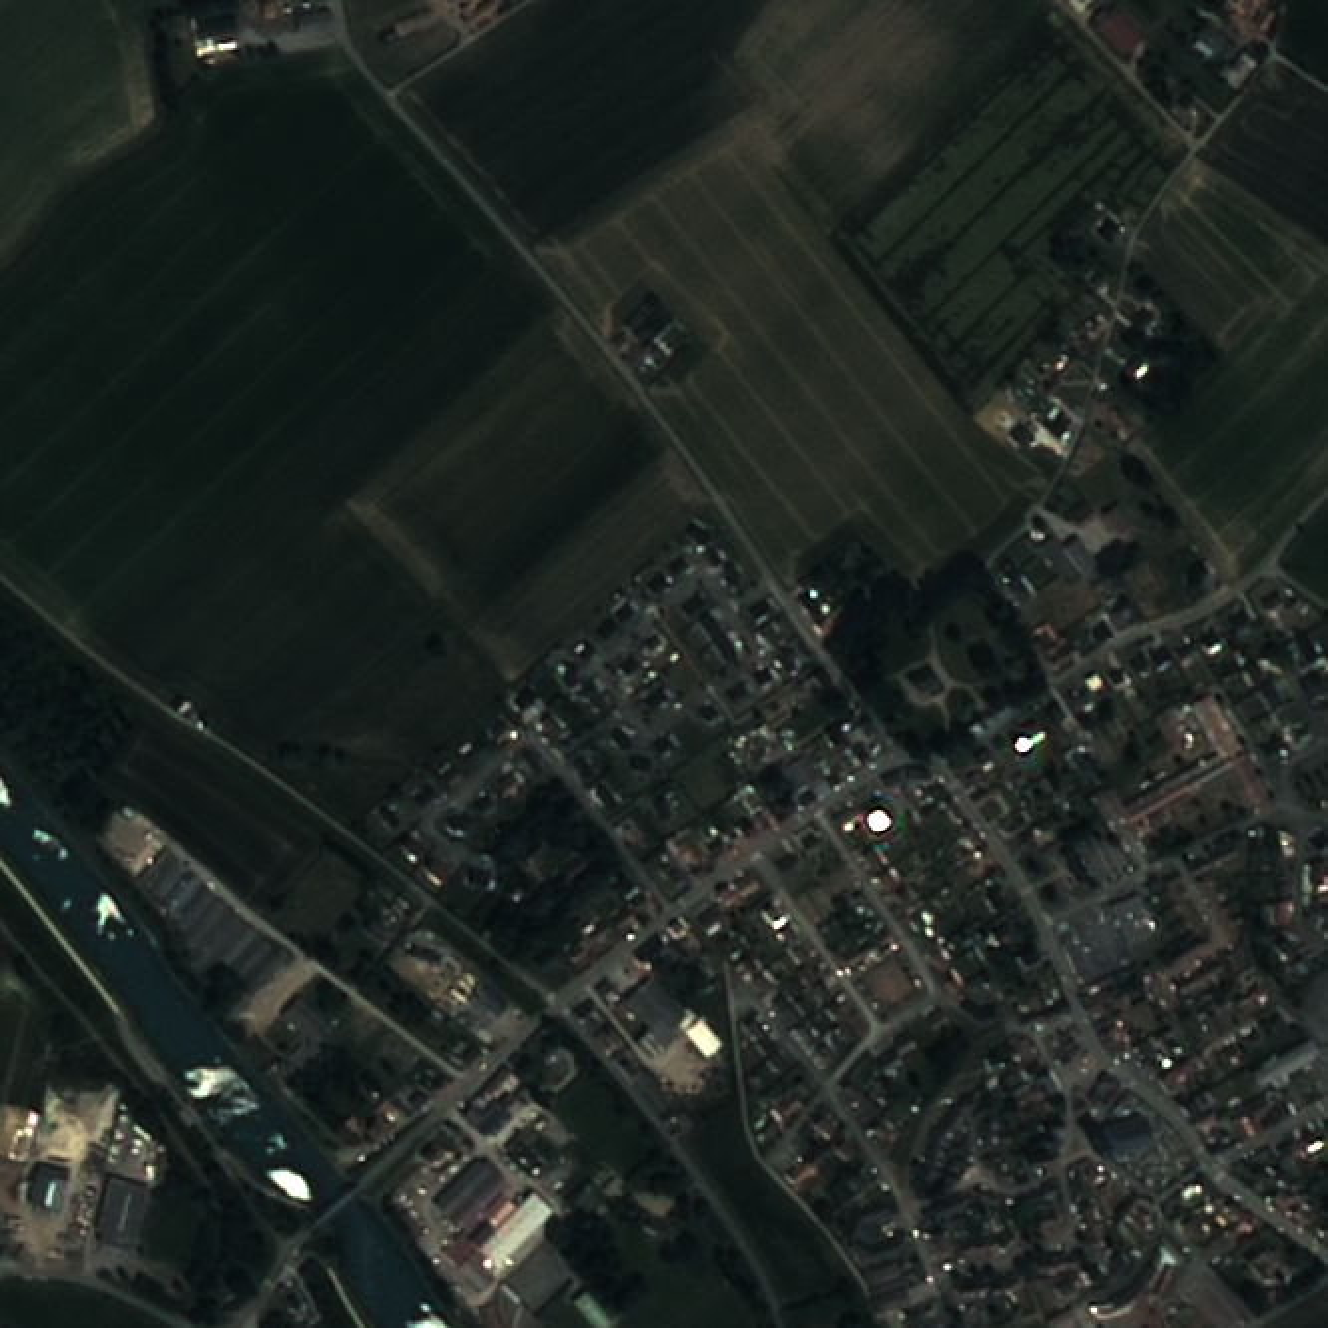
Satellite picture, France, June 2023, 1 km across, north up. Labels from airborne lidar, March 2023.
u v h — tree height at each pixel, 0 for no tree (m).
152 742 0
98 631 0
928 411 0
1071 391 0
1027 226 0
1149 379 8
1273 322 0
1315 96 0
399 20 0
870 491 0
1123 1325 0
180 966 7
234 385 0
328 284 0
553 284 0
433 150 0
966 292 0
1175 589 0
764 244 0
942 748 17
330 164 0
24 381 0
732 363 0
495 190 0
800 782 0
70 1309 0
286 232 0
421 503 0
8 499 0
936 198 0
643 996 0
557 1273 0
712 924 0
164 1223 0
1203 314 0
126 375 0
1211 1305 0
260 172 0
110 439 0
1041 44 0
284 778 0
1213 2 8
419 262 0
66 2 0
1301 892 0
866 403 0
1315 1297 0
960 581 22
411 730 0
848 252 0
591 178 0
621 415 0
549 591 0
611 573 0
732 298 0
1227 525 0
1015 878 0
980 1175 0
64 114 0
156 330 0
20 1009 0
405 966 0
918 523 0
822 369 0
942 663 0
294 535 0
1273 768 0
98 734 8
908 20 0
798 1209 0
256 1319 0
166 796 0
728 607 0
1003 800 0
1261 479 0
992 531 0
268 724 0
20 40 0
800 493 0
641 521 0
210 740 0
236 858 0
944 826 0
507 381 0
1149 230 0
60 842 0
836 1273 0
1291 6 0
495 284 0
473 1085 0
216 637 0
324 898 0
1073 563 0
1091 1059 0
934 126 0
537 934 10
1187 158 0
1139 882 0
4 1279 0
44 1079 0
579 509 0
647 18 0
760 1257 0
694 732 0
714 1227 10
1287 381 0
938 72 0
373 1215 0
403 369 0
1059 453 0
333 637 0
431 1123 0
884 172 0
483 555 0
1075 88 0
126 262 0
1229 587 0
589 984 0
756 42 0
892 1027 0
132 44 0
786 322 0
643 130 0
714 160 0
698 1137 0
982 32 0
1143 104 0
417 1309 0
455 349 0
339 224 0
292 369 0
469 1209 0
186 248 0
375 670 0
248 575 0
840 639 18
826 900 0
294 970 0
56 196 0
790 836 0
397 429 0
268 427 0
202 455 0
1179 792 0
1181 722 0
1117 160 0
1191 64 0
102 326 0
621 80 0
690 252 0
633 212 0
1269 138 0
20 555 0
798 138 0
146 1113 15
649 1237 0
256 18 0
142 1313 0
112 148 0
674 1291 0
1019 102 0
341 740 0
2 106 0
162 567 0
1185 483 0
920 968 0
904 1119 0
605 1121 0
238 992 0
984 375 0
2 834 0
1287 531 0
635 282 0
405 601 0
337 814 0
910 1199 0
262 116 0
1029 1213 10
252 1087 0
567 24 0
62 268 0
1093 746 0
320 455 0
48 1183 0
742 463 0
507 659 0
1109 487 0
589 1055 6
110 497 0
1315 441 0
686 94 0
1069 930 0
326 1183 0
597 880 21
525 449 0
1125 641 0
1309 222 0
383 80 0
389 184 0
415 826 0
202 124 0
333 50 0
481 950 0
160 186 0
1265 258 0
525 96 0
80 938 0
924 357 0
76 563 0
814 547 0
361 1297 0
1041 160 0
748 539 0
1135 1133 0
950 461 0
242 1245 14
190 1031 0
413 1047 0
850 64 0
